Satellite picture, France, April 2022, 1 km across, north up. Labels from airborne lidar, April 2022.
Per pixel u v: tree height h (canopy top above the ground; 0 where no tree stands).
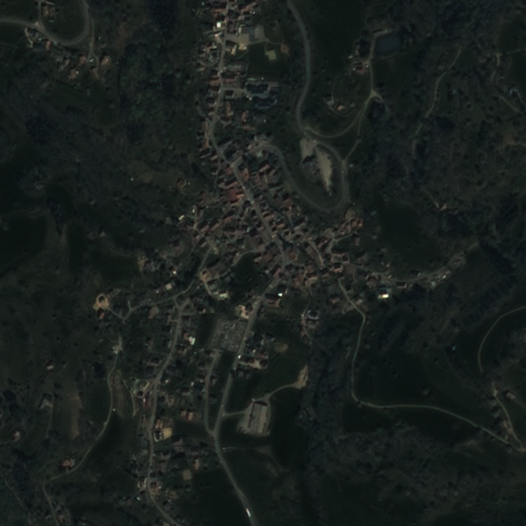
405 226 0
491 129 11
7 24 0
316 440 23
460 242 10
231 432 0
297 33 13
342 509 0
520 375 0
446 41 9
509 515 0
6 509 18
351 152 0
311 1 0
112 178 26
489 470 15
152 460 0
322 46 0
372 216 19
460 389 0
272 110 16
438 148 17
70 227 0
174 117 12
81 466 0
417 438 17
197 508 0
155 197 19
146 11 7
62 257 0
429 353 0
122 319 0
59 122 25
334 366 22
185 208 14
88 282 23
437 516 0
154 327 0
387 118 26
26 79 25
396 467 11
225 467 0
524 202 0
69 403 0
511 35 0
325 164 0
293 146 6
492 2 19
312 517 0
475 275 0
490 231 28
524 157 21
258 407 0
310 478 23
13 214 0
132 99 40
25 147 0
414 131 18
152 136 24
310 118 18
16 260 0
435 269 0
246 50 0
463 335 0
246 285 0
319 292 12
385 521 0
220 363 0
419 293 25
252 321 0
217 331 0
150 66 30
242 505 0
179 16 20
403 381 0
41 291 0
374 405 0
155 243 0
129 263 0
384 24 21
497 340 0
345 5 0
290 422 0
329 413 11
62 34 0
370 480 0
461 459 0
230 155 0
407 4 23
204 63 0
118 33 23
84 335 0
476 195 7
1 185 0
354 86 0
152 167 7
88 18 0
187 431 0
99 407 0
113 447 0
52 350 0
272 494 0
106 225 0
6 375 0
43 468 20
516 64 0
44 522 0
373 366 8
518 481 13
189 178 12
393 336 19
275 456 0
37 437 0
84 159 28
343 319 0
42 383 6
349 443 19
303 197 0
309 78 0
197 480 0
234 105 8
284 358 0
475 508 7
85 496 10
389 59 0
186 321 0
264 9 0
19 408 28
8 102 24
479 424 0
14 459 9
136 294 6
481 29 20
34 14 0
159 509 0
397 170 23
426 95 21
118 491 14
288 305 0
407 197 20
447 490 9
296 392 0
